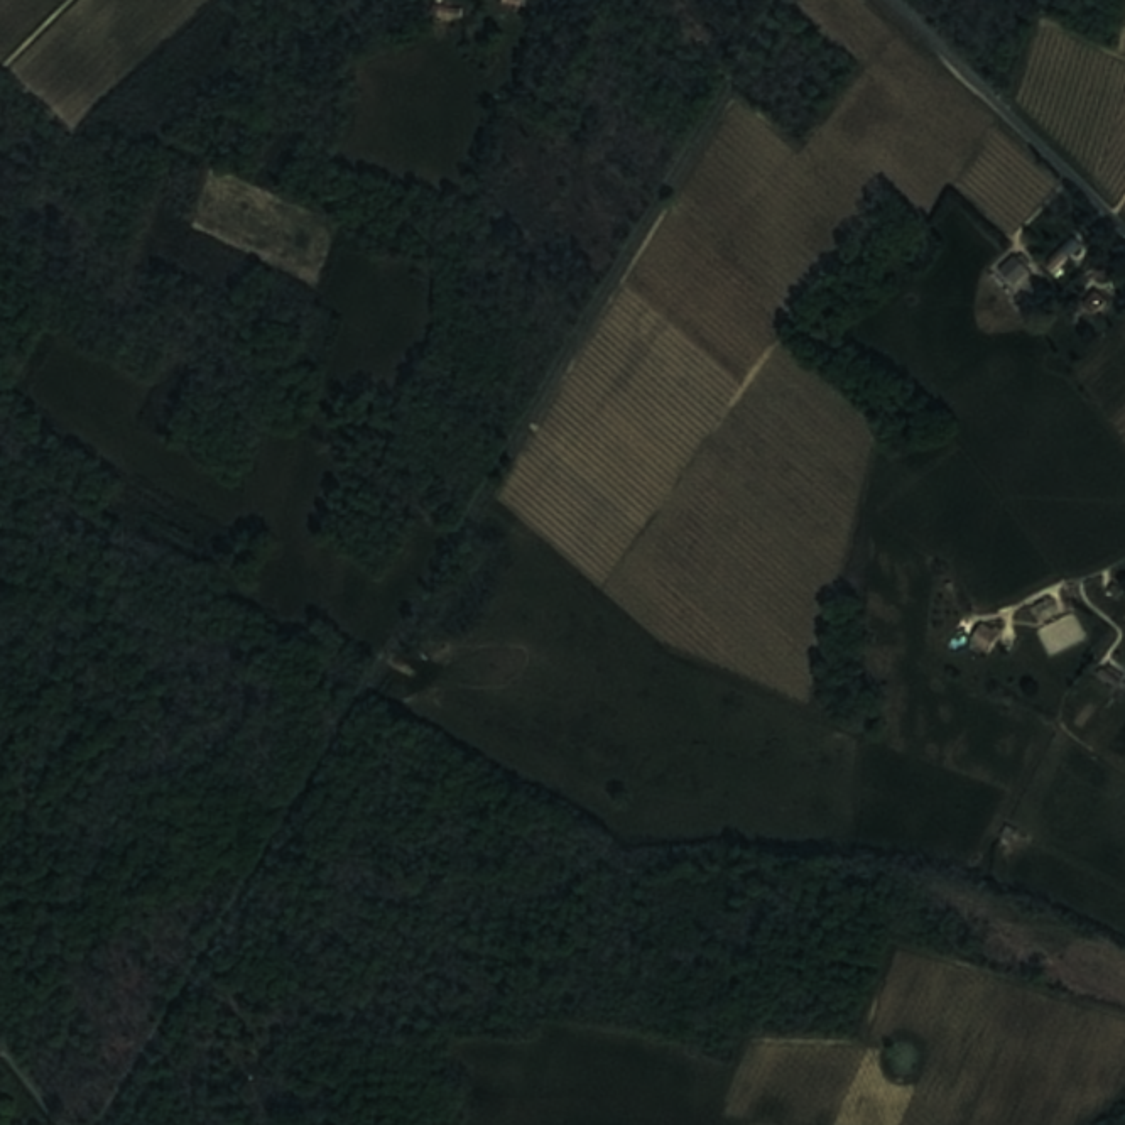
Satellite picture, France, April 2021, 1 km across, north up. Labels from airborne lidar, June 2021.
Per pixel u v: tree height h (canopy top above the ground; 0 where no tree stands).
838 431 0
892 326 0
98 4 0
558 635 0
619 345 0
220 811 29
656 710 0
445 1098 19
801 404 0
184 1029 17
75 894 20
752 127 0
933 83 0
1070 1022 0
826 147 0
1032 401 0
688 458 0
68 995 16
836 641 23
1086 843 0
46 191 15
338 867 18
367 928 14
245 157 20
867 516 0
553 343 13
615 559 0
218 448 21
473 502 15
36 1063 10
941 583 14
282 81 18
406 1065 21
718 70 19
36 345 23
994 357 0
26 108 19
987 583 0
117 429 0
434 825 17
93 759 18
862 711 22
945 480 0
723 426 0
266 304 19
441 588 16
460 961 14
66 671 22
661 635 0
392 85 0
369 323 0
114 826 19
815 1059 0
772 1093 0
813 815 0
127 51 0
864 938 18
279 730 16
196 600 22
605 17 22
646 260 0
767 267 0
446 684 0
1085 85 0
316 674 28
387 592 0
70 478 23
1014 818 0
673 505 0
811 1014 18
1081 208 8
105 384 0
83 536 24
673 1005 18
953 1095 0
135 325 19
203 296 15
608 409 0
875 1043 0
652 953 20
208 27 7
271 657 20
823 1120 0
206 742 17
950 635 0
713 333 0
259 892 12
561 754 0
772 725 0
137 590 21
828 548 0
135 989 8
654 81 18
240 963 19
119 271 12
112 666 24
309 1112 25
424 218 18
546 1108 0
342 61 15
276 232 0
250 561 22
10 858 20
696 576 0
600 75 18
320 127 15
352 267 0
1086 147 0
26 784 15
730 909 9
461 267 17
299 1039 20
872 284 24
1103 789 0
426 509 16
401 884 18
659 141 10
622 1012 18
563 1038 0
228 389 16
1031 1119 0
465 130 0
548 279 16
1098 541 0
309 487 0
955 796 0
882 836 0
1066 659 0
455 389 15
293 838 13
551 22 22
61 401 0
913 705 0
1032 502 0
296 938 18
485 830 21
